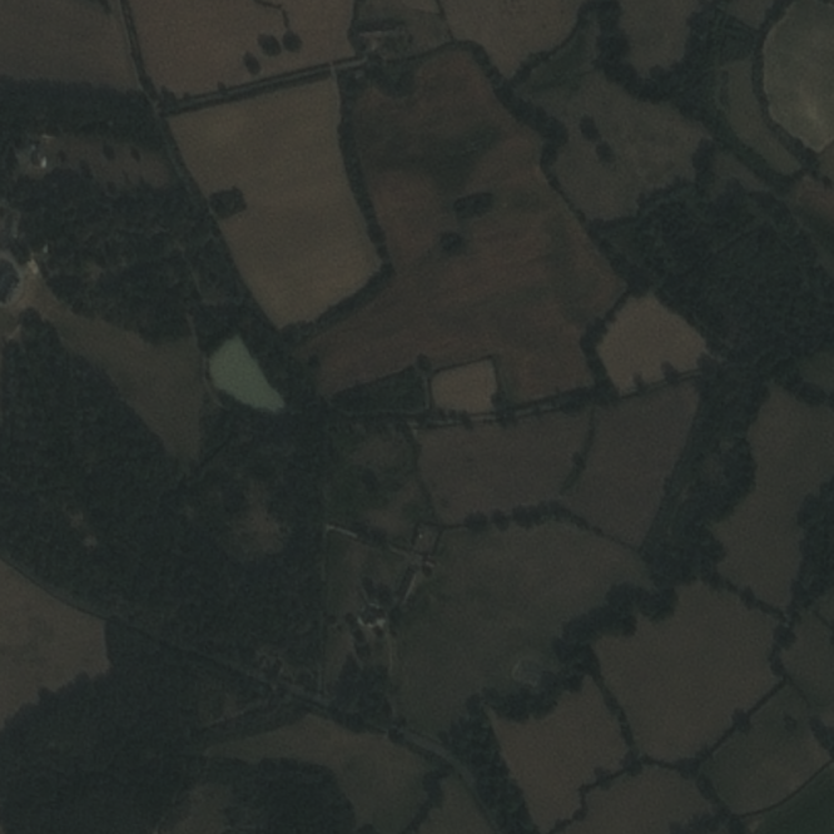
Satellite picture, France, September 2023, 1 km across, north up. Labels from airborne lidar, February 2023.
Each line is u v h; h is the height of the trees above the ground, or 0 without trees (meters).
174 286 12
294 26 0
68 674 0
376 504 0
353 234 0
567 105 0
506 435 0
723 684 0
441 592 0
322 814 10
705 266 9
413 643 0
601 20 12
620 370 0
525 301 0
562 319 0
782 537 0
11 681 0
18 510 25
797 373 11
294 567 15
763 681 0
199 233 23
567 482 0
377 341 0
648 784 0
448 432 0
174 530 24
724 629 0
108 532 25
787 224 17
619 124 0
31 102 22
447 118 0
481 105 0
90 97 23
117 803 20
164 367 0
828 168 0
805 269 6
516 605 0
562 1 0
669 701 0
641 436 0
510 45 0
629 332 0
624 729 12
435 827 0
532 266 0
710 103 6
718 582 22
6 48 0
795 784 0
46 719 19
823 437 0
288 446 20
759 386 16
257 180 0
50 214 23
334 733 0
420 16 0
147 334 20
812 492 0
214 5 0
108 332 0
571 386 0
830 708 0
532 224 0
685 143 0
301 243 0
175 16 0
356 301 6
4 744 18
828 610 0
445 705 0
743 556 0
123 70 0
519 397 0
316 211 0
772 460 0
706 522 14
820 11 0
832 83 0
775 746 0
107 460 22
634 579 0
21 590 0
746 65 0
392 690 0
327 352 0
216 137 0
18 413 20
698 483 8
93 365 0
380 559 0
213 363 0
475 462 0
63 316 0
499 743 0
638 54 0
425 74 0
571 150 0
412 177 0
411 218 0
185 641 21
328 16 0
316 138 0
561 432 0
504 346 0
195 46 0
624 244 0
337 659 0
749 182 0
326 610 0
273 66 0
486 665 0
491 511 0
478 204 14
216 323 19
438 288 0
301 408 18
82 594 16
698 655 0
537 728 0
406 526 0
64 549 13
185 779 6
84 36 0
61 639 0
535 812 0
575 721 0
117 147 0
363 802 0
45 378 15
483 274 0
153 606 21
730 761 0
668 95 16
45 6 0
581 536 0
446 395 0
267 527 0
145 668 18
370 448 0
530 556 0
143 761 23
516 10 0
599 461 0
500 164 0
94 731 18
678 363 0
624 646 0
